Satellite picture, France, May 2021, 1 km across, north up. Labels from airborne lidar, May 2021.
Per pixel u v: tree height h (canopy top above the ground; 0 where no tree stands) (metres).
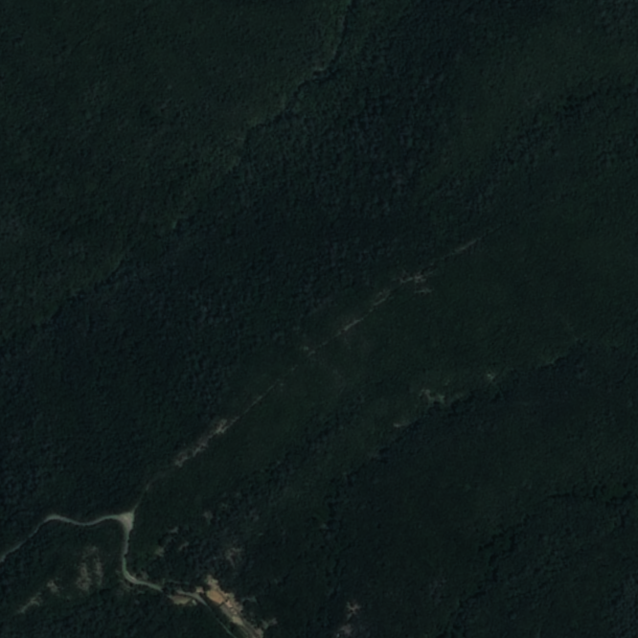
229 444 8
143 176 14
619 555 18
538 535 13
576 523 13
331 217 20
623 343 16
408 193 12
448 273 9
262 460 7
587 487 17
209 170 12
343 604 10
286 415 8
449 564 15
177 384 12
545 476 17
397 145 15
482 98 8
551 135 13
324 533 21
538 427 13
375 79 19
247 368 7
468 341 10
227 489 10
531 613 13
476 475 16
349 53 7
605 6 8
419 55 15
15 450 20
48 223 17
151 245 20
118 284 20
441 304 8
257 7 15
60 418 19
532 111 13
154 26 10
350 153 20
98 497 11
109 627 13
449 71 10
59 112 16
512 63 9
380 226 17
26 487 16
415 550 15
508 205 10
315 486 9
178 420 15
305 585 11
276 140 12
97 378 9
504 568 19
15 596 8
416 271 10
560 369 16
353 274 20
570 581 14
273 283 23
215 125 12
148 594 10
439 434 18
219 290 22
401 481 12
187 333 8
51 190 12
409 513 12
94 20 7
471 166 17
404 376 17
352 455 10
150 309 16
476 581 18
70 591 7
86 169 16
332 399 7
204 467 8
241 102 7
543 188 8
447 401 21
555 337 10
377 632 12
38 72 8
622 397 18
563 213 8
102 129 15
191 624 15
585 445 9
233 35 11
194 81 8
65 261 18
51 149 9
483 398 19
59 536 6
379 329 8
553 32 9
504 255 7
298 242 16
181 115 17
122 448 12
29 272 14
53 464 12
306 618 16
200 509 13
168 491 9
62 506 12
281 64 8
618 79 14
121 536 7
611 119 12
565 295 12
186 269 13
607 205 11
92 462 20
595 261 5
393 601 11
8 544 19
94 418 8
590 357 17
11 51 10
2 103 8
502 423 16
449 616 17
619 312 13
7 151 13
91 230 20
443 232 11
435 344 12
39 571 10
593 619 18
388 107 21
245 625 0
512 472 10
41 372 12
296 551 18
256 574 13
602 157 19
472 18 19
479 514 8
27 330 20
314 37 20
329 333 5
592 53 6
